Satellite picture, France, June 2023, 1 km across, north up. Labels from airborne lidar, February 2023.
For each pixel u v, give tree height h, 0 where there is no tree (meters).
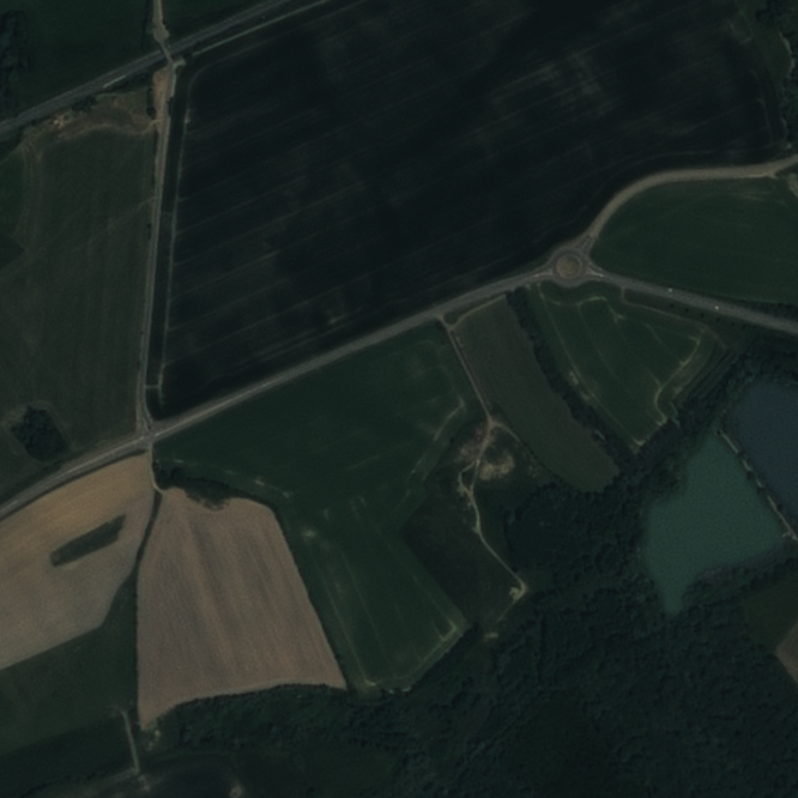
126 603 0
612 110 0
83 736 0
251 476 0
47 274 0
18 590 0
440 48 0
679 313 0
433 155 0
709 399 9
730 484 0
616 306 0
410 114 0
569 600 0
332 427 0
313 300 0
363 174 0
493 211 0
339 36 0
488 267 0
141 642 0
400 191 0
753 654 19
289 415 0
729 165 0
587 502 16
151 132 0
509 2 0
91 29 0
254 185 0
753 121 0
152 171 0
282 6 0
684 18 0
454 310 0
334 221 0
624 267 0
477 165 0
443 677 20
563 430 0
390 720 17
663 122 0
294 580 0
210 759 0
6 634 0
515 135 0
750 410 0
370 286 0
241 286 0
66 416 0
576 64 0
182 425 0
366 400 0
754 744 23
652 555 0
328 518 0
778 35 0
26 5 0
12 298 0
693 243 0
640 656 21
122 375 0
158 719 0
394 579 0
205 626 0
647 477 19
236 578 0
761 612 0
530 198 0
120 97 0
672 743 24
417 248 0
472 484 0
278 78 0
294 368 0
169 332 0
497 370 0
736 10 0
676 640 19
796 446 0
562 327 0
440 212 0
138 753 0
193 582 0
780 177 0
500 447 0
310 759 0
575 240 0
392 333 0
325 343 0
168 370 0
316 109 0
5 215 0
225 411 0
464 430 0
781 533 0
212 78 0
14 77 17
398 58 0
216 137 0
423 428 0
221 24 0
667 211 0
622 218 0
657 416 0
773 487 0
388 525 0
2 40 23
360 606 0
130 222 0
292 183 0
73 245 0
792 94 10
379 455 0
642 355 0
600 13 0
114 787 0
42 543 0
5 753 0
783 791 23
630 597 12
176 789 0
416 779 7
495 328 0
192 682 0
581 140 0
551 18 0
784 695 21
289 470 0
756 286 0
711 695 24
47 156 0
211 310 0
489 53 0
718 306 0
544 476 0
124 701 0
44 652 0
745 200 0
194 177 0
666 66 0
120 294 0
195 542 0
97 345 0
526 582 0
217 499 0
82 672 0
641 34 0
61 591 0
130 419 0
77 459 0
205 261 0
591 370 0
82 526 0
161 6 0
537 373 0
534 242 0
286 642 0
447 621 0
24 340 0
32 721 0
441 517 0
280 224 0
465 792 18
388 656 0
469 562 0
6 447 0
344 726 6
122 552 0
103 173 0
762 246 0
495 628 0
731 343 0
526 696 12
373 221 0
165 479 7
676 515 0
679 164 0
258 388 0
